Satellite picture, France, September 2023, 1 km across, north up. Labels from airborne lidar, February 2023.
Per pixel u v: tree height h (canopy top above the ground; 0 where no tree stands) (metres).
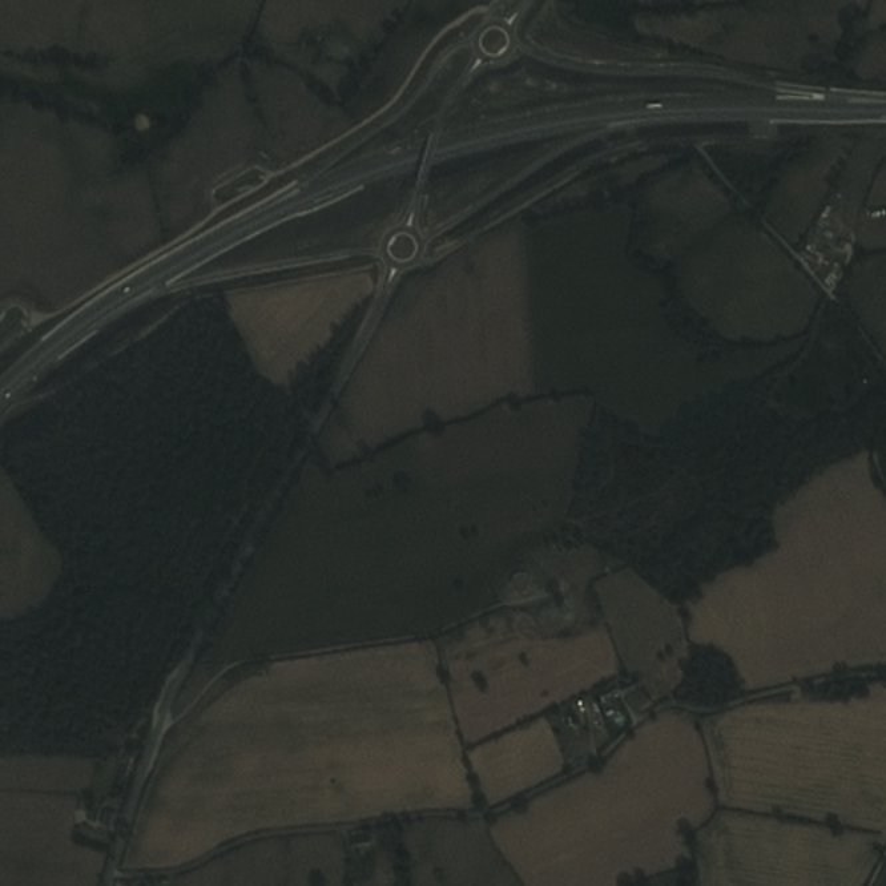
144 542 20
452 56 0
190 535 16
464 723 0
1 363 0
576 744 0
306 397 14
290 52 0
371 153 0
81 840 13
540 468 0
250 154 0
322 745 0
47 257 0
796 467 11
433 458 0
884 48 0
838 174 12
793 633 0
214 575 6
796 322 0
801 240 9
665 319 7
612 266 0
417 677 0
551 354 0
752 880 0
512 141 0
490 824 9
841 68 8
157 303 0
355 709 0
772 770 0
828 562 0
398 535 0
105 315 0
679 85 0
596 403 7
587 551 0
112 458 15
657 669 0
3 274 0
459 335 0
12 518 0
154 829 0
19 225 0
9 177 0
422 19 0
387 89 0
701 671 13
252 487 7
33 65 16
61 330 0
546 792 0
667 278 7
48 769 0
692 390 0
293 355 0
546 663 0
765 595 0
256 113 10
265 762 0
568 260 0
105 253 0
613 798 0
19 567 0
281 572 0
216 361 21
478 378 0
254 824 0
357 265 0
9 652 13
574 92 0
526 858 0
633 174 0
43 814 0
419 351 0
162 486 17
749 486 20
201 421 18
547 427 0
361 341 0
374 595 0
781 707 0
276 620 0
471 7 0
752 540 7
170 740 0
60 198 0
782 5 0
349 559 0
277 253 0
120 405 18
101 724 11
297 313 0
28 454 16
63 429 17
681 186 0
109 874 0
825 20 0
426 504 0
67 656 7
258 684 0
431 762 0
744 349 9
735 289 0
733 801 0
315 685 0
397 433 0
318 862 0
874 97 0
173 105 0
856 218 0
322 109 0
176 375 15
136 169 0
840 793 0
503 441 0
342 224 0
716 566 9
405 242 0
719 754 0
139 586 12
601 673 0
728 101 0
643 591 0
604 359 0
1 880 0
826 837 0
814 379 0
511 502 0
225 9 0
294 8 0
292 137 0
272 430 15
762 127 0
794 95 0
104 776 0
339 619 0
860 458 0
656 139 0
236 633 0
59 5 0
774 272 0
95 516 18
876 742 0
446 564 0
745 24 0
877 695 0
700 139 0
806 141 9
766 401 8
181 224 0
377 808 0
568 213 13
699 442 19
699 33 0
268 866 0
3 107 0
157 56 0
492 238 0
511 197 0
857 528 0
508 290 0
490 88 0
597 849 0
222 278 0
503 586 0
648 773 0
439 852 0
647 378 0
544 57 0
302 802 0
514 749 0
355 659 0
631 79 0
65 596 10
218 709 0
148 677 12
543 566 0
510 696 0
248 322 0
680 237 0
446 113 0
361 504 0
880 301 0
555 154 0
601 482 9
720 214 0
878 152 0
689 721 0
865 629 0
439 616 0
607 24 13
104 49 0
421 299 0
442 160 0
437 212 0
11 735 6
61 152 0
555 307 0
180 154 0
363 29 0
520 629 0
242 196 0
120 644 15
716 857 0
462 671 0
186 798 0
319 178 0
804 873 0
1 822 0
